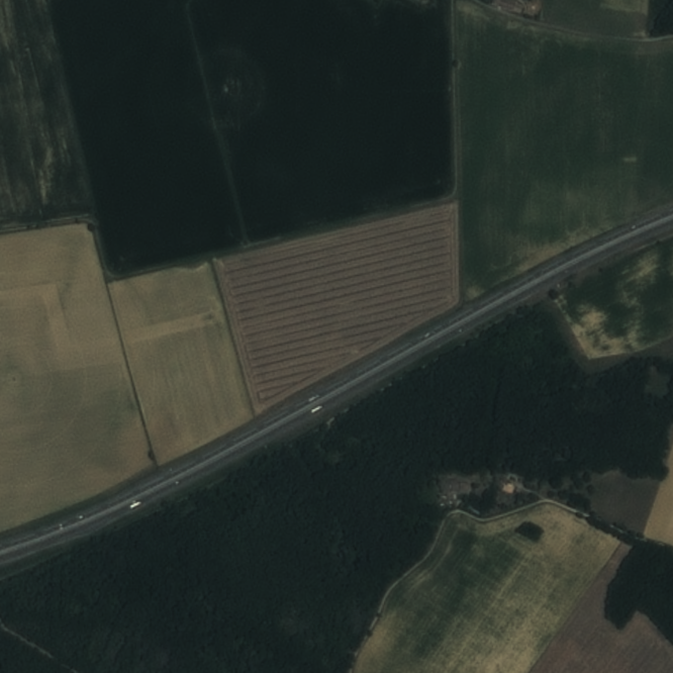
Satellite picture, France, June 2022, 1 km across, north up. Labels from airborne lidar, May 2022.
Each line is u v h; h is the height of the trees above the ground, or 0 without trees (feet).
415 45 0
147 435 0
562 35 0
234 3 0
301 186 0
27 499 0
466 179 0
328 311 0
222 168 0
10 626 25
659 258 0
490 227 0
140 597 50
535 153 0
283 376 0
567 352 31
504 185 0
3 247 0
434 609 0
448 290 0
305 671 60
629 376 47
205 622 68
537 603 0
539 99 0
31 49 0
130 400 0
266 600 41
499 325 33
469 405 60
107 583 60
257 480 42
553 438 43
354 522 69
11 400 0
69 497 0
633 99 0
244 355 0
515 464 57
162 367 0
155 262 0
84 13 0
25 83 0
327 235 0
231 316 0
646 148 0
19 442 0
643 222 0
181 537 63
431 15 0
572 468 45
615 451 60
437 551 0
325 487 73
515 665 0
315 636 36
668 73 0
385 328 0
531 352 28
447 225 0
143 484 0
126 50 0
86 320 0
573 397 80
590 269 0
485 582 0
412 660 0
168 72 0
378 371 0
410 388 57
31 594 45
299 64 0
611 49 0
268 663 62
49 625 27
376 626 0
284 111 0
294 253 0
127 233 0
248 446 0
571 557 0
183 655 48
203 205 0
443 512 22
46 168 0
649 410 57
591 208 0
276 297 0
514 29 0
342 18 0
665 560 47
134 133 0
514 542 0
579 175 0
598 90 0
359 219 0
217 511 43
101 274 0
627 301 0
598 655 0
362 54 0
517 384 60
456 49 0
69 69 0
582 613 0
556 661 0
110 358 0
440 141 0
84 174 0
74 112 0
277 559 51
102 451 0
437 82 0
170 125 0
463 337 0
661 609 57
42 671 55
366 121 0
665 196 0
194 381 0
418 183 0
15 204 0
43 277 0
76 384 0
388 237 0
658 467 47
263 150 0
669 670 0
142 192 0
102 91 0
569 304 0
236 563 43
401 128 0
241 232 0
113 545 45
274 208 0
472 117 0
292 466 73
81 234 0
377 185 0
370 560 69
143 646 37
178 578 59
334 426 33
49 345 0
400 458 50
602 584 0
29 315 0
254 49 0
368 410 45
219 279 0
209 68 0
